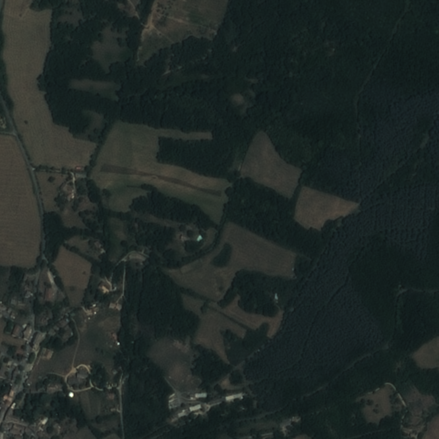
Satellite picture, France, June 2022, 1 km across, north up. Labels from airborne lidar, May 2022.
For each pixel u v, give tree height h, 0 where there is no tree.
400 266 13
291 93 11
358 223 14
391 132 16
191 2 0
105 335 0
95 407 0
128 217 12
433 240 13
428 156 12
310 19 16
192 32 0
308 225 0
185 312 17
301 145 19
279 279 8
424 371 9
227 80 18
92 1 10
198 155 13
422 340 18
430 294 12
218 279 0
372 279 14
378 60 10
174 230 13
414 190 15
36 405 20
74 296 0
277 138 16
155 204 15
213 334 0
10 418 0
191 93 8
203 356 7
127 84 18
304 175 12
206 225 16
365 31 15
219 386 11
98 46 0
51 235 15
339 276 15
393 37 6
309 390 10
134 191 0
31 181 0
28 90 0
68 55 14
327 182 11
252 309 15
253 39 13
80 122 16
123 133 0
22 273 10
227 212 11
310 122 7
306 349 14
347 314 17
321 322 16
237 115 10
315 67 6
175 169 0
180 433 18
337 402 6
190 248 13
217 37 12
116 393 9
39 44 0
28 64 0
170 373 0
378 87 11
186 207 20
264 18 10
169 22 0
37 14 0
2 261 0
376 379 12
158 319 12
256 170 0
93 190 12
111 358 0
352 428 10
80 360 0
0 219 0
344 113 6
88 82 0
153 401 7
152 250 13
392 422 12
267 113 9
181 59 10
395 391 7
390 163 13
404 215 17
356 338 19
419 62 7
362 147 7
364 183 13
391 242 18
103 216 12
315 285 14
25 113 0
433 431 0
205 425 11
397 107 16
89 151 0
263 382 13
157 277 17
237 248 0
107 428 0
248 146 6
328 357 14
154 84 12
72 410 15
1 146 0
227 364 6
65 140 0
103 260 9
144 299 13
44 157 0
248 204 12
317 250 9
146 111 18
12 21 0
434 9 7
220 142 15
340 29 12
